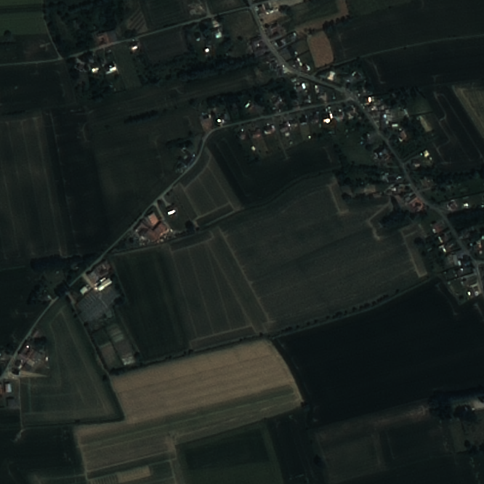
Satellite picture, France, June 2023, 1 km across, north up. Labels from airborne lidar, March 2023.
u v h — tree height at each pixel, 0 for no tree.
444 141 0
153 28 0
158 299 0
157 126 0
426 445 0
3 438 0
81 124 0
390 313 0
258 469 0
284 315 0
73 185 0
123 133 0
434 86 0
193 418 0
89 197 0
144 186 0
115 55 0
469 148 0
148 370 0
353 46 0
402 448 0
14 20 0
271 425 0
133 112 0
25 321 0
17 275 0
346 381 0
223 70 11
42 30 0
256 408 0
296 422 0
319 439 0
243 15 0
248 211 0
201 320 0
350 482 0
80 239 0
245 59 15
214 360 0
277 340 0
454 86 0
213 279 0
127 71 0
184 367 0
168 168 0
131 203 0
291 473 0
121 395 0
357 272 0
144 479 0
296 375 0
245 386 0
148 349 0
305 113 0
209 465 0
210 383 0
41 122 0
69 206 0
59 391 0
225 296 0
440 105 0
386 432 0
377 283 0
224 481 0
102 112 0
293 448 0
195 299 0
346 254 0
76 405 0
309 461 0
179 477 0
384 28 0
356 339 0
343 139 0
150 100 0
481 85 0
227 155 0
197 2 0
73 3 0
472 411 26
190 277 0
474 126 0
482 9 0
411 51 0
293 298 0
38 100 0
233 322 0
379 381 0
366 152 0
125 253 0
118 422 0
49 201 0
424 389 0
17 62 0
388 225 15
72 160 0
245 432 0
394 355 0
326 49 0
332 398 0
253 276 0
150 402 0
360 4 0
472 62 0
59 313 0
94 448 0
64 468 0
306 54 0
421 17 0
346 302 0
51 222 0
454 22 0
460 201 0
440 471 0
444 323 0
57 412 0
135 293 0
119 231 0
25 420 0
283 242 0
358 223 0
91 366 0
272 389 0
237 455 0
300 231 0
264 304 0
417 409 0
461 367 0
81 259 11
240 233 0
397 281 0
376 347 0
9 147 0
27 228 0
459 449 0
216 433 0
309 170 0
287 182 0
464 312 0
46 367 0
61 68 0
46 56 0
